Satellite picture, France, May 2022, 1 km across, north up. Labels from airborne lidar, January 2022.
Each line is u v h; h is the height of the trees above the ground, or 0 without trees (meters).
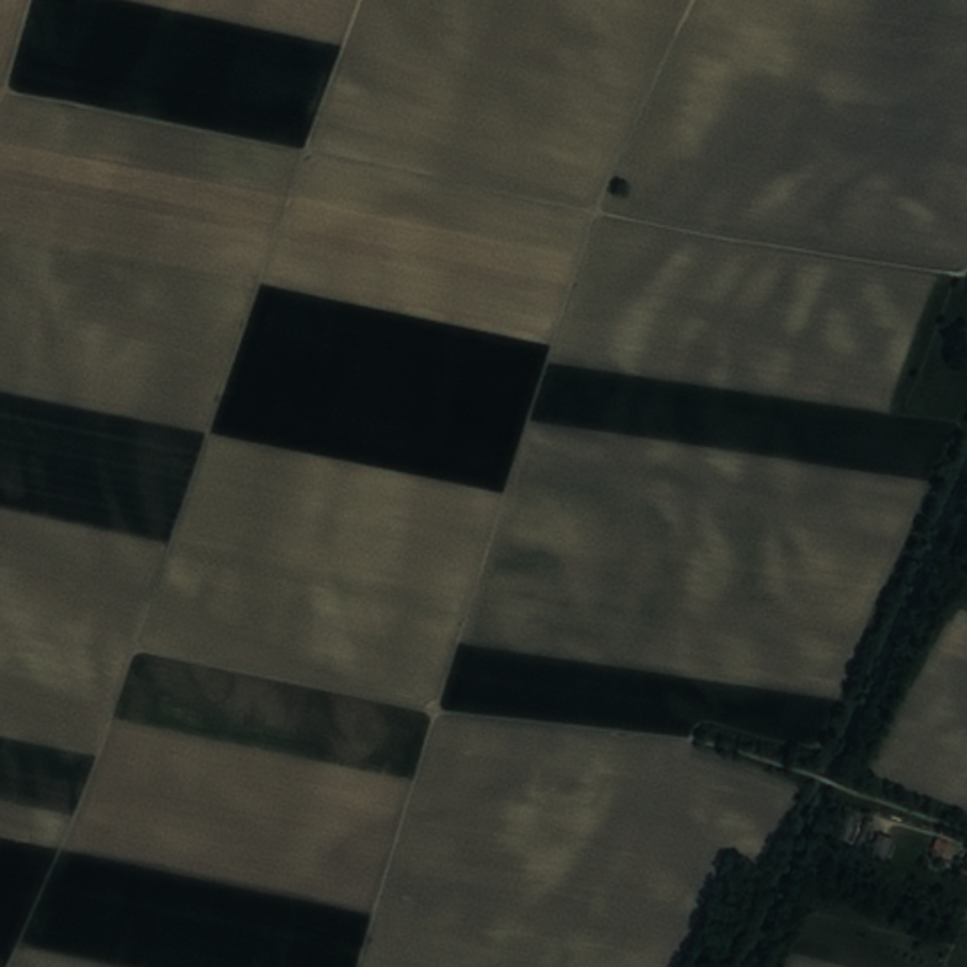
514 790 0
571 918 0
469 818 0
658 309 0
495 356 0
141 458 0
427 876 0
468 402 0
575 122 0
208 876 0
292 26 0
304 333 0
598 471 0
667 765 0
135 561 0
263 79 0
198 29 0
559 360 0
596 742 0
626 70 0
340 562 0
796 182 0
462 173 0
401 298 0
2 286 0
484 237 0
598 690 0
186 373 0
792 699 0
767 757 9
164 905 0
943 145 0
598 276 0
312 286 0
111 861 0
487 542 0
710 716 0
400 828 0
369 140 0
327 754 0
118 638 0
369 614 0
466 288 0
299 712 0
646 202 0
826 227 0
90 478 0
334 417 0
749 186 0
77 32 0
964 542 19
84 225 0
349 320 0
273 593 0
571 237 0
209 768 0
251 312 0
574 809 0
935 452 0
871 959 0
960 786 0
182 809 0
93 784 0
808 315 0
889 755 0
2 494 0
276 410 0
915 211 0
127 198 0
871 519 0
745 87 0
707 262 0
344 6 0
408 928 0
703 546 0
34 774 0
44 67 0
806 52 0
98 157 0
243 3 0
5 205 0
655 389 0
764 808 0
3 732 0
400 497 0
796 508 0
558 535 0
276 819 0
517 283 0
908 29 0
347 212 0
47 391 0
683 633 0
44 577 0
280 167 0
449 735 0
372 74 0
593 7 0
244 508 0
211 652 0
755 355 0
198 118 0
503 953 0
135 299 0
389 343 0
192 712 0
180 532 0
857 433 0
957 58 0
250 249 0
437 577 0
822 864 22
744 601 0
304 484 0
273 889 0
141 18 0
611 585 0
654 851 0
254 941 0
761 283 0
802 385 0
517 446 0
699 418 0
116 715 0
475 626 0
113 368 0
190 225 0
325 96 0
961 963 0
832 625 0
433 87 0
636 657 0
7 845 0
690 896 0
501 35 0
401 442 0
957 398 0
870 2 0
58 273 0
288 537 0
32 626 0
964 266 0
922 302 0
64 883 0
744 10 0
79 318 0
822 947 0
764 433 0
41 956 0
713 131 0
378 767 0
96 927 0
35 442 0
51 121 0
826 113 0
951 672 0
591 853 0
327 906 0
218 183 0
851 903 18
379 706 0
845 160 0
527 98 0
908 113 0
